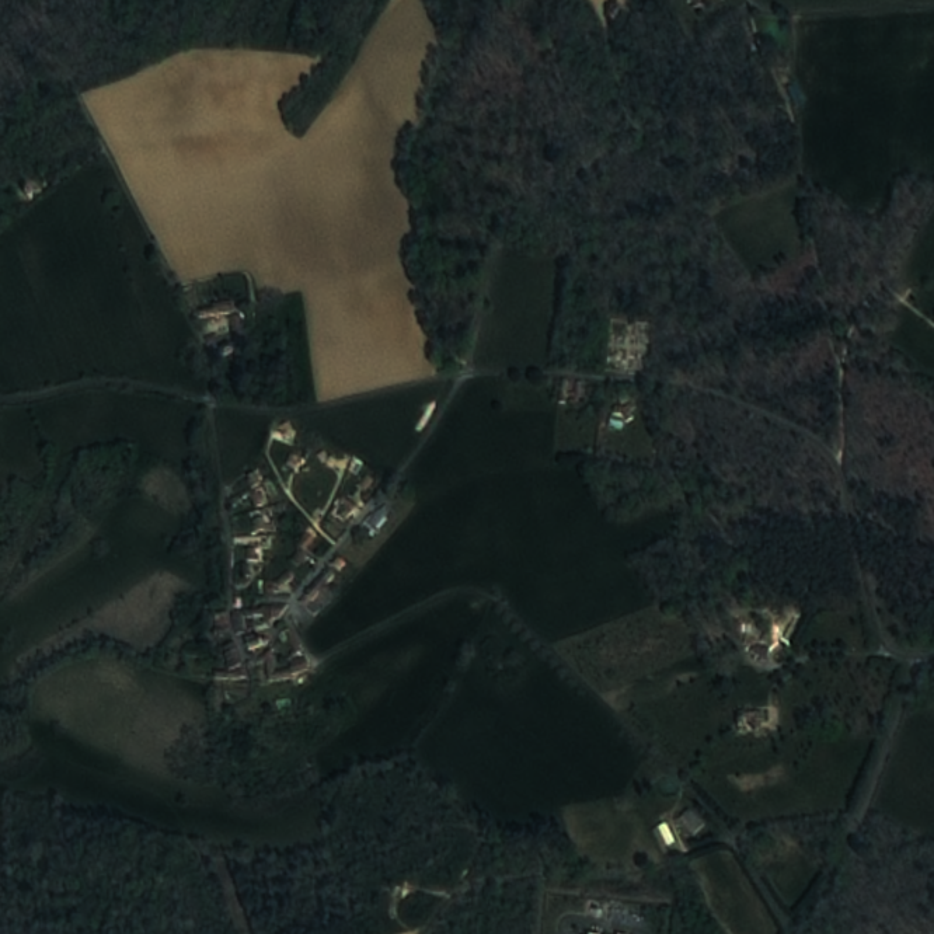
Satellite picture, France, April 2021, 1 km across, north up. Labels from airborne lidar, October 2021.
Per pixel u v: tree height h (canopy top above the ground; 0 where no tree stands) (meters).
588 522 0
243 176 0
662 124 16
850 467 10
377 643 0
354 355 0
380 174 0
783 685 8
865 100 0
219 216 0
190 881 13
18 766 6
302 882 7
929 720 0
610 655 6
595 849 0
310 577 0
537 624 0
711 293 20
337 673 0
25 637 0
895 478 8
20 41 20
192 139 0
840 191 0
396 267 0
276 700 0
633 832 0
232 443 0
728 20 17
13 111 21
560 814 0
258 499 0
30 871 14
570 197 18
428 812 7
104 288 0
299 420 0
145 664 11
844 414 7
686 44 20
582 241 18
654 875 23
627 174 11
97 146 11
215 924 13
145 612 0
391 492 22
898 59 0
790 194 0
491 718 0
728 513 26
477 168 22
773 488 13
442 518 0
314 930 13
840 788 0
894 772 0
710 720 0
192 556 8
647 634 7
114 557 0
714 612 22
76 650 8
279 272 0
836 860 27
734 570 20
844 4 0
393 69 0
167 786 0
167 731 0
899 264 16
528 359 0
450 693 12
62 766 0
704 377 17
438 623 0
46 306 0
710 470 11
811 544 0
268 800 10
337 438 0
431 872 8
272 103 0
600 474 23
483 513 0
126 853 28
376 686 0
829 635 0
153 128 0
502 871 9
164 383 0
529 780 0
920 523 20
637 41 24
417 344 0
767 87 9
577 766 0
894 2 0
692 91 22
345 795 13
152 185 0
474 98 18
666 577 7
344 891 12
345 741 0
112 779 0
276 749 7
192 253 0
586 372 8
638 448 0
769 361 25
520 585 0
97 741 0
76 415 0
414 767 7
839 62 0
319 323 0
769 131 19
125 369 0
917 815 0
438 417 0
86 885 20
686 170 21
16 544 11
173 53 21
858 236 18
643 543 0
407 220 0
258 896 13
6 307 0
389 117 0
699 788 9
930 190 14
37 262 0
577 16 23
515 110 23
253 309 13
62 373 0
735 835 15
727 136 20
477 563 0
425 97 14
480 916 10
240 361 13
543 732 0
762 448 7
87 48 24
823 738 24
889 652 0
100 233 0
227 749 17
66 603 0
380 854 9
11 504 12
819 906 21
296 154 0
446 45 21
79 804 0
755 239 0
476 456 0
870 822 11
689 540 11
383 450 0
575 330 18
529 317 0
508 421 0
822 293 20
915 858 19
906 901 16
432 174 19
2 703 8
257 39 14
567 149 19
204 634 7
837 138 0
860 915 21
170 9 24
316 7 25
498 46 20
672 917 8
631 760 0
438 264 24
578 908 8
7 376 0
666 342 12
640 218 25
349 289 0
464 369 0
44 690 0
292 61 0
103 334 0
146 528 0
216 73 0
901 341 0
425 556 0
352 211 0
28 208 16
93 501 17
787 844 7
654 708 0
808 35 0
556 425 0
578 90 21
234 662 0
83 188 0
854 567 0
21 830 11
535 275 0
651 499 19
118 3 20
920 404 8
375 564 0
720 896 0
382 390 0
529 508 0
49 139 17
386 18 0
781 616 10
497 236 27
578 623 0
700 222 18
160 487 0
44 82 21
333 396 0
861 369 13
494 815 0
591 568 0
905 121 0
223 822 0
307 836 0
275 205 0
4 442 0
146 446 0
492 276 0
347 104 0
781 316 21
